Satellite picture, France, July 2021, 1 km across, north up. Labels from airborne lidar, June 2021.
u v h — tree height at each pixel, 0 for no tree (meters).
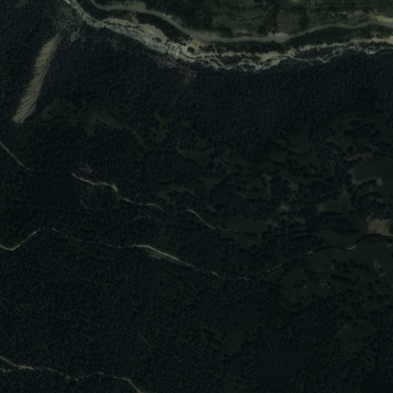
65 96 18
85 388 24
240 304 24
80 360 31
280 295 17
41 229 10
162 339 29
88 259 32
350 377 28
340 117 11
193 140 26
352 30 10
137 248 14
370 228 0
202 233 26
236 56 6
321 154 8
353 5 11
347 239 0
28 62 19
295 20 0
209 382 27
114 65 23
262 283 26
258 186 0
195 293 20
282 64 7
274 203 18
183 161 20
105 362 24
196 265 25
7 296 25
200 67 9
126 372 19
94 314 27
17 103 14
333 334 16
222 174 24
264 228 0
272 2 7
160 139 0
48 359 27
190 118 26
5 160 21
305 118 24
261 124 19
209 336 12
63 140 18
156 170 25
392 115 12
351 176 15
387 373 25
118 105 8
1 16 17
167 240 7
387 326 27
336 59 9
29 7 14
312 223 14
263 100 16
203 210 25
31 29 11
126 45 10
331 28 7
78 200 27
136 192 38
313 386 15
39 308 30
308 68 7
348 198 0
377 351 22
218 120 17
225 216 19
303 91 10
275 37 0
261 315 13
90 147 10
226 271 24
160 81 15
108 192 19
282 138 8
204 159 0
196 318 23
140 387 13
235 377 25
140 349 17
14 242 16
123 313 24
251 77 8
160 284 25
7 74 9
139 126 17
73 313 12
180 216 20
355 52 7
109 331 22
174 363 20
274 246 27
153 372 26
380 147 18
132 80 16
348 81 21
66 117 10
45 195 27
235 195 26
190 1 8
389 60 14
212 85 18
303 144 0
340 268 22
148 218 19
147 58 12
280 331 20
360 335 0
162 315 23
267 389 20
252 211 23
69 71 15
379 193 14
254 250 21
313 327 18
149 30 0
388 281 0
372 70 15
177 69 8
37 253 20
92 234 14
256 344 12
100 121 7
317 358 16
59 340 15
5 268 16
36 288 12
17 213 28
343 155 13
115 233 21
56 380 23
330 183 21
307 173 6
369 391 16
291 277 0
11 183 30
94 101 19
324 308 16
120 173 25
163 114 20
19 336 28
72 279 22
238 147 15
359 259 0
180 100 12
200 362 27
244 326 25
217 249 25
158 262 23
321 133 19
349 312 0
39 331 25
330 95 17
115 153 16
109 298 9
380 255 0
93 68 18
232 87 24
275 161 8
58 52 7
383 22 0
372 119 9
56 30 5
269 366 16
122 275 24
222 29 10
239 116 20
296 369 19
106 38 6
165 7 10
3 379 30
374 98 21
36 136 18
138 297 25
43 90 9
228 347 0
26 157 29
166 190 9
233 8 7
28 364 11
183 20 7
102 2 13
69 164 25
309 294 0
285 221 16
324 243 9
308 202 10
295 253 21
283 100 28
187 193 21
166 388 26
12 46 16
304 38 8
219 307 23
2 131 21
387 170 0
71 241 9
